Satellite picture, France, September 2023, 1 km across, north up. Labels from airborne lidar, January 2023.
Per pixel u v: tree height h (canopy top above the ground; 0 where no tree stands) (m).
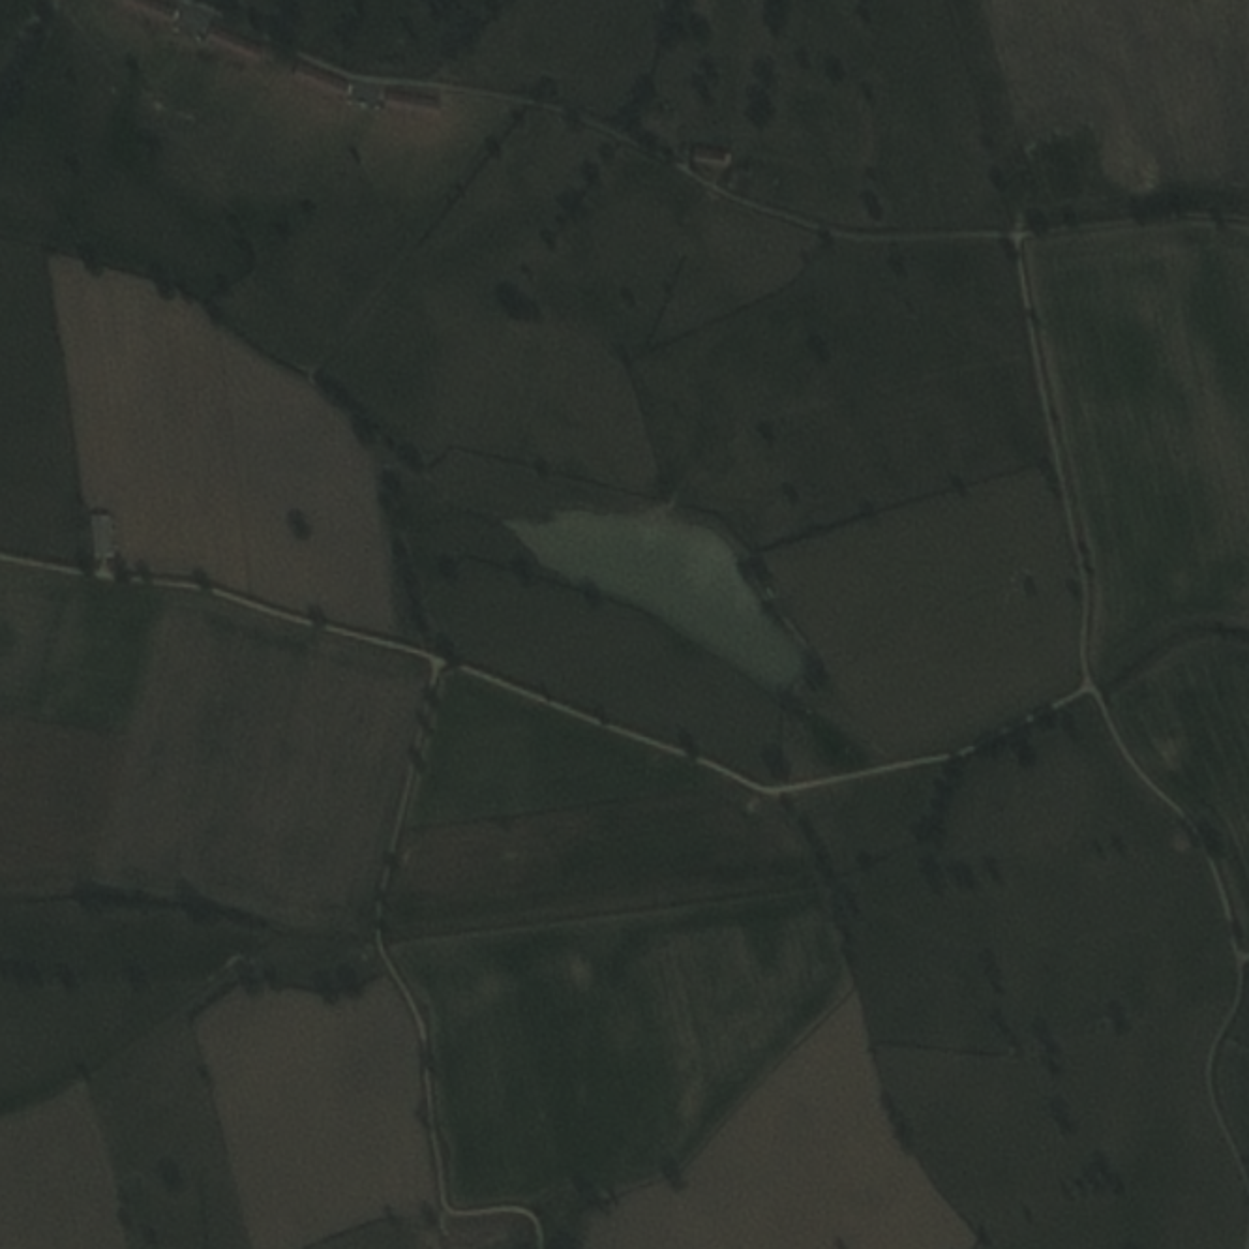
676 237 0
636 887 0
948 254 0
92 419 0
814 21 0
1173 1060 0
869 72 0
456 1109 0
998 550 0
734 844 0
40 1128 0
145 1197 0
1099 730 0
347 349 0
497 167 0
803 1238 0
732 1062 0
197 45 0
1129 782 0
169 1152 0
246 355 0
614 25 0
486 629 0
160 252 0
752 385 0
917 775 0
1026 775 0
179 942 0
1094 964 0
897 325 0
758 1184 0
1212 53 0
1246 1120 0
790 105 0
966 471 0
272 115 0
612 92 0
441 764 0
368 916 0
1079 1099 0
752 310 0
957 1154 0
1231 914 0
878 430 0
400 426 0
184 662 0
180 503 0
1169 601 0
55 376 0
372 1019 0
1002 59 0
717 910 0
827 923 0
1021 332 0
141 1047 0
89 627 0
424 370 0
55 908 0
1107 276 0
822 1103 0
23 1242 0
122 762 0
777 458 0
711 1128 0
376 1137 0
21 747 0
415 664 0
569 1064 0
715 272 0
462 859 0
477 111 0
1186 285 0
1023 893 0
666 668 0
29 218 0
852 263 0
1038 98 0
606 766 0
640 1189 0
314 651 0
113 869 0
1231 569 0
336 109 0
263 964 0
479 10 0
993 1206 0
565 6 0
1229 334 0
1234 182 0
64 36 0
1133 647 0
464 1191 0
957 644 0
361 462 0
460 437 0
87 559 12
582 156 0
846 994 0
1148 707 0
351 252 0
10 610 0
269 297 0
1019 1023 0
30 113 0
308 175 0
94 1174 0
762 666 0
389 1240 0
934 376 0
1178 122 0
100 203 0
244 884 0
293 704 0
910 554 0
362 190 0
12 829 0
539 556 0
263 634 0
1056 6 0
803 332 0
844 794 0
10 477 0
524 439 0
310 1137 0
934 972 0
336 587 0
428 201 0
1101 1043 0
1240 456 0
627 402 0
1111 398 0
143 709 0
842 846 0
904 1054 0
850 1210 0
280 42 18
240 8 16
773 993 0
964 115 0
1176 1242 0
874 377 0
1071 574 0
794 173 0
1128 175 0
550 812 0
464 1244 0
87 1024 0
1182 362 0
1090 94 0
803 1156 0
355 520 0
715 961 0
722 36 0
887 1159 0
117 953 0
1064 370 0
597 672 0
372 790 0
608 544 0
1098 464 0
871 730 0
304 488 0
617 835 0
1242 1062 0
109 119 0
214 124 0
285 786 0
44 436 0
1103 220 0
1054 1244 0
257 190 0
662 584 0
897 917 0
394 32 0
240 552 0
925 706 0
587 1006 0
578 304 0
